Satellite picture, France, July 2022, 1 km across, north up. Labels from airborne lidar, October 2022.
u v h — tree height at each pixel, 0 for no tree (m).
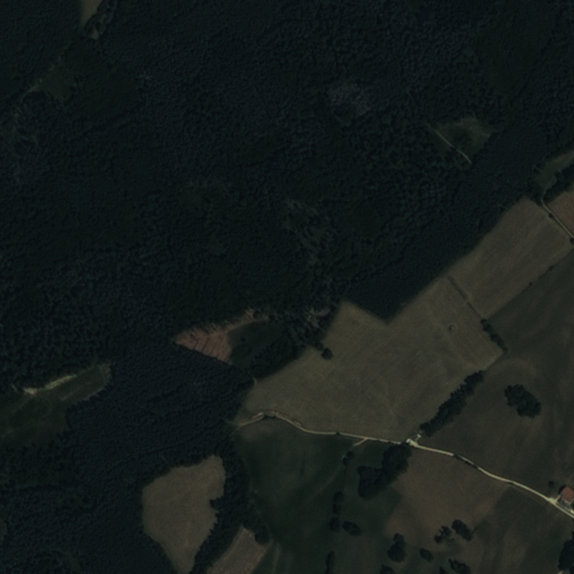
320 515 0
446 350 0
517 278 0
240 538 0
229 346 0
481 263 0
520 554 0
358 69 14
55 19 19
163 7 16
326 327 24
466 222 18
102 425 0
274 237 15
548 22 14
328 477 0
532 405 22
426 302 0
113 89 13
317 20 27
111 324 12
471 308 0
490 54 13
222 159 25
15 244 14
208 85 25
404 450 20
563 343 0
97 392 0
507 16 12
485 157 22
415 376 0
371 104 33
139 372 26
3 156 0
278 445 0
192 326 16
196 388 23
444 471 0
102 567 24
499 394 0
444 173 26
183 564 0
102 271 27
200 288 14
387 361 0
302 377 0
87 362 23
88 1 0
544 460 0
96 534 26
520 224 0
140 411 24
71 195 15
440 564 0
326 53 33
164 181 15
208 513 0
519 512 0
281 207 21
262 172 16
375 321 0
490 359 0
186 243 14
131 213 12
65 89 0
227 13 21
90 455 0
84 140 28
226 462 8
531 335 0
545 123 10
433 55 37
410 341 0
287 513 0
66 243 22
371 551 0
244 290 13
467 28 32
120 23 22
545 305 0
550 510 0
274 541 0
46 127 24
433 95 27
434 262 19
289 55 23
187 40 19
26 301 18
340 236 21
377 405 0
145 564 26
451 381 0
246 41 24
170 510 0
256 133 20
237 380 22
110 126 25
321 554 0
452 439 0
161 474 14
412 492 0
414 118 28
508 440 0
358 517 0
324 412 0
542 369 0
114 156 10
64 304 30
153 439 27
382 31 26
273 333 0
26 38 10
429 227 22
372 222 11
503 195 19
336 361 0
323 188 26
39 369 26
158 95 25
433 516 0
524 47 14
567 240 0
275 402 0
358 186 15
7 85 11
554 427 0
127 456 0
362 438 0
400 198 12
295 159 31
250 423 0
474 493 0
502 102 25
